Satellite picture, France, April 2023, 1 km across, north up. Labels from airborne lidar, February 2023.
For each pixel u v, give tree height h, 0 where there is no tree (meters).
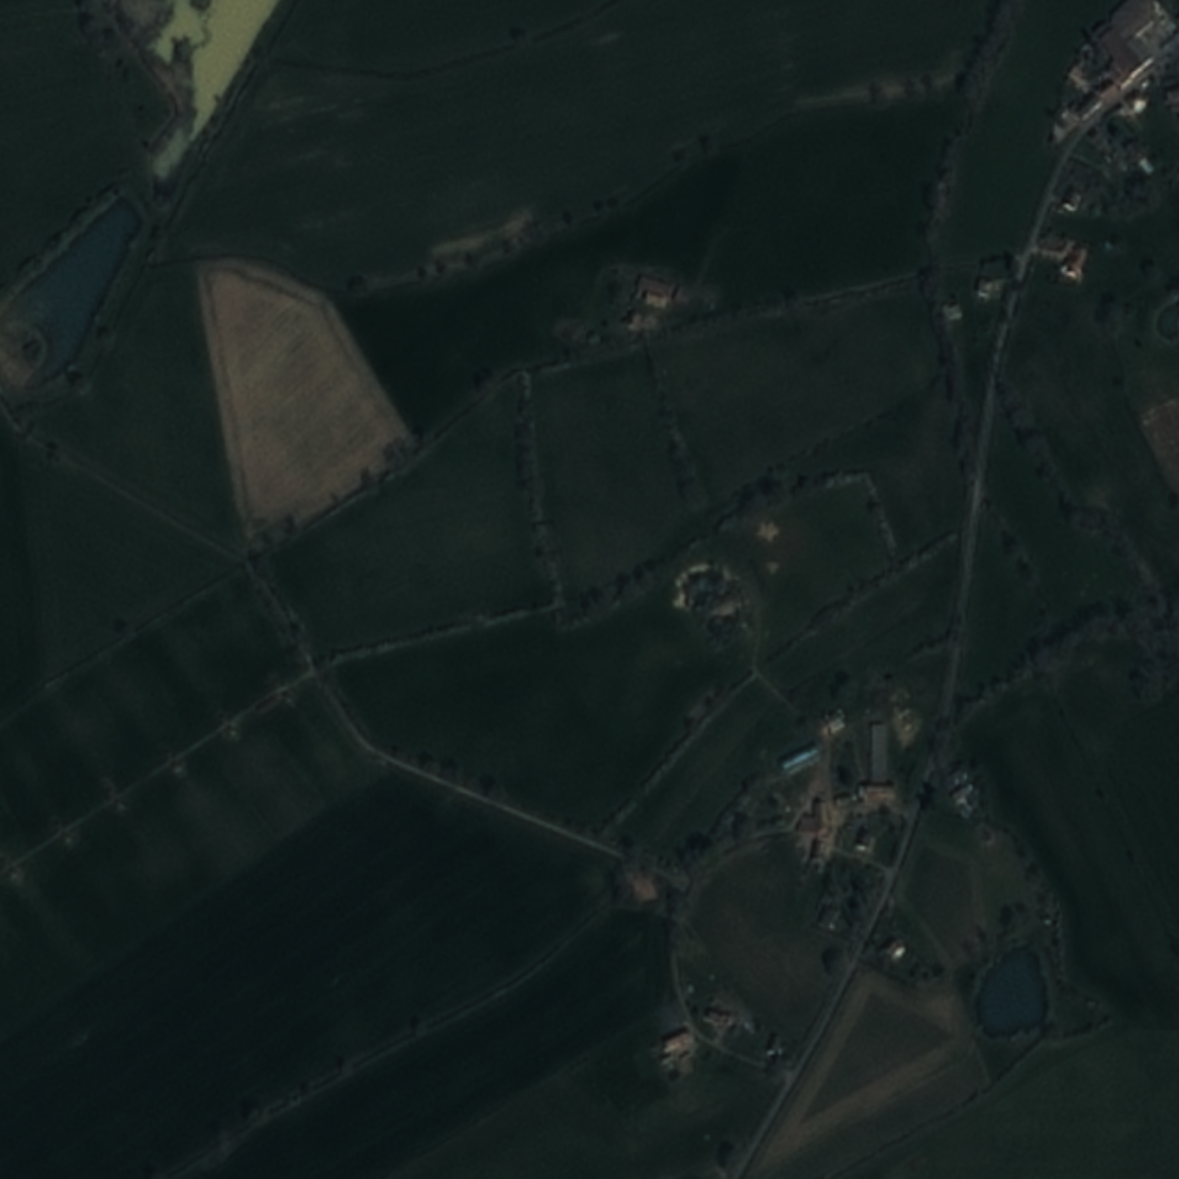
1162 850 0
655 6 0
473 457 0
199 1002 0
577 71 0
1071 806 0
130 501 0
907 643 0
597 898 0
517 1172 0
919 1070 0
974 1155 0
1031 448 23
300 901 0
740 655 0
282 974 0
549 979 0
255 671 0
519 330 0
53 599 0
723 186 0
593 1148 0
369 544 0
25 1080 0
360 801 0
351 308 0
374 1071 0
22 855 0
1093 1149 0
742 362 0
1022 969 0
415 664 0
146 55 0
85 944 0
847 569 0
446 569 0
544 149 0
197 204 0
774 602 0
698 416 0
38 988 0
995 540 0
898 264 0
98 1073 0
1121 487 0
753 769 0
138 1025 0
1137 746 0
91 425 0
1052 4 0
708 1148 0
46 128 0
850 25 0
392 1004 0
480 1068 0
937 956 0
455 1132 0
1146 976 0
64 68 0
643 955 0
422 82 0
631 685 0
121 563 0
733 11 0
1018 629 0
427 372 0
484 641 0
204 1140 0
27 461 0
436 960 0
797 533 0
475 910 0
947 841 0
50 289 0
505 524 0
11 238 0
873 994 0
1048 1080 0
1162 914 0
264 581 17
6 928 0
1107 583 0
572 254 0
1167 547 0
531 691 0
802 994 0
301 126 0
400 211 0
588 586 0
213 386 0
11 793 0
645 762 0
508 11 0
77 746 0
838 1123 0
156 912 0
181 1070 0
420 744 0
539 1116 0
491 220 0
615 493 0
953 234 0
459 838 0
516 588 0
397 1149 0
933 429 0
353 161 0
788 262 0
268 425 0
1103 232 0
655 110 0
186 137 0
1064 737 0
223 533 0
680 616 0
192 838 0
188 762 0
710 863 26
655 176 0
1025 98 0
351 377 0
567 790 0
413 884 0
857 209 0
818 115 0
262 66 11
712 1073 0
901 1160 0
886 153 0
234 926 0
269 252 0
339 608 0
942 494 0
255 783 0
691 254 0
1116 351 0
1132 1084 0
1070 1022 0
